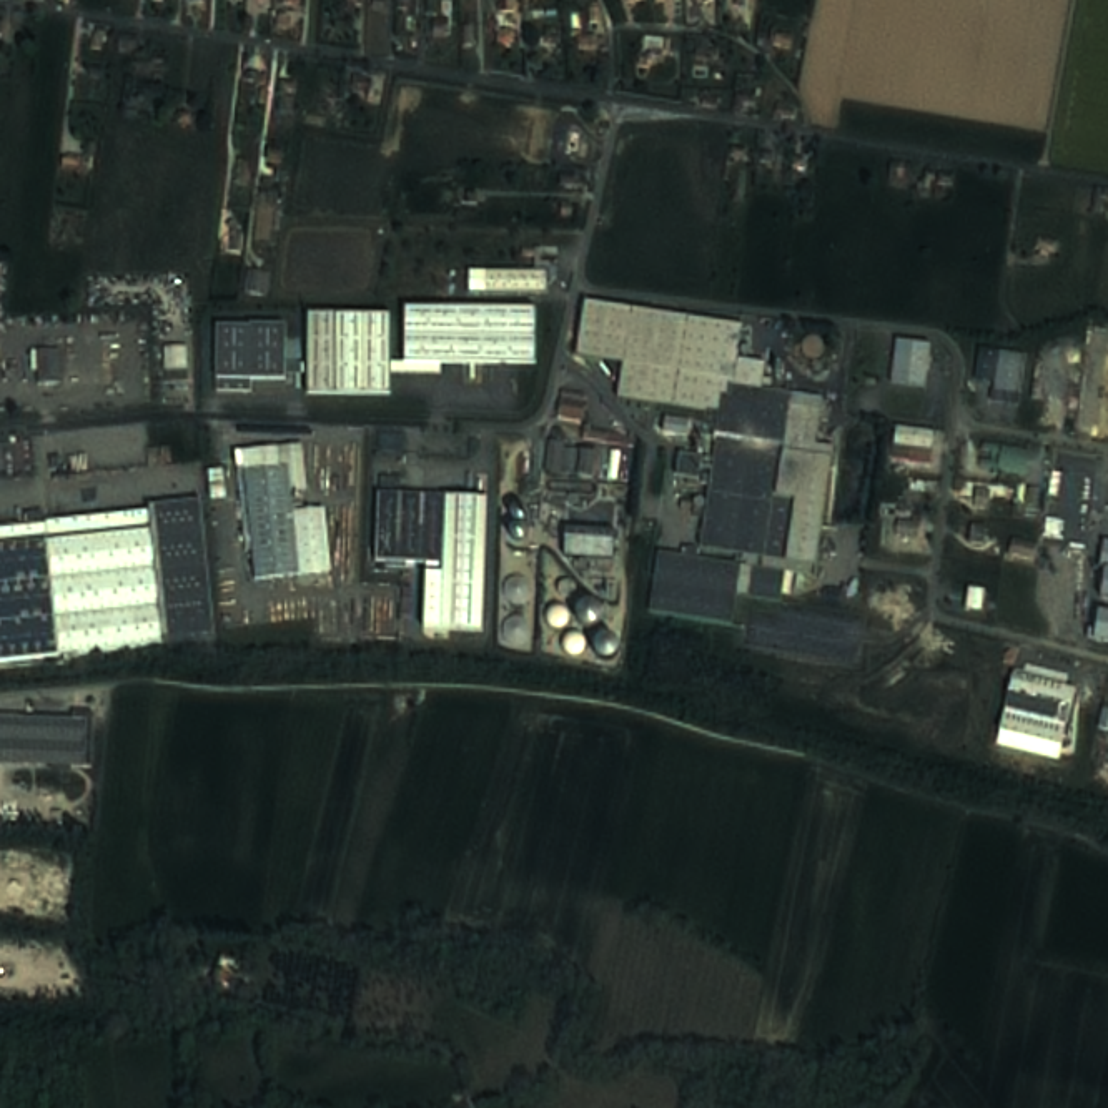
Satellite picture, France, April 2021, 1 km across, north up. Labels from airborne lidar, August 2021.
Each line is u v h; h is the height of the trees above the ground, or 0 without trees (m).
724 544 0
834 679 0
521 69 6
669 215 0
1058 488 0
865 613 0
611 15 0
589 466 0
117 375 0
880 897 0
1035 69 0
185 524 0
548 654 0
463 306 0
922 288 0
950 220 0
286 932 15
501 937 17
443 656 13
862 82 0
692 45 8
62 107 0
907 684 0
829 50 0
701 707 11
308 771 0
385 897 0
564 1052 19
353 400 0
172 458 0
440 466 0
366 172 0
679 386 0
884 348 0
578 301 0
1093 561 0
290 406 0
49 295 0
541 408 0
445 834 0
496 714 0
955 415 0
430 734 0
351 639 0
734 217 9
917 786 6
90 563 0
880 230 0
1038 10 0
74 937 18
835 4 0
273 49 0
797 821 0
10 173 0
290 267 0
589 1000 16
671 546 0
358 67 8
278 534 0
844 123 0
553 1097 19
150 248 0
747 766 0
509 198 0
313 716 0
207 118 10
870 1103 17
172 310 0
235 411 0
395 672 12
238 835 0
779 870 0
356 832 0
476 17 0
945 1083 0
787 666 0
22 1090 14
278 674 14
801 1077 21
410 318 0
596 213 0
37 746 0
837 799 0
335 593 0
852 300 0
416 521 0
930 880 0
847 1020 0
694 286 0
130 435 0
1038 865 0
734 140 8
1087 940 0
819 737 8
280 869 0
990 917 0
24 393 0
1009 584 0
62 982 0
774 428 0
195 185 0
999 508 0
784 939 0
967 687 0
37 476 0
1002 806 6
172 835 0
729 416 0
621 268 0
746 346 0
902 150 0
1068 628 0
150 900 0
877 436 9
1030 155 0
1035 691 0
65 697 0
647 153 0
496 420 0
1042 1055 0
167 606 0
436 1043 14
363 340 0
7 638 0
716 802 0
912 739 0
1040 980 0
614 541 0
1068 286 0
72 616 0
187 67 0
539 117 0
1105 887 0
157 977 19
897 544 0
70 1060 12
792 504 0
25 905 0
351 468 0
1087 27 0
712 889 0
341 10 10
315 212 0
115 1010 13
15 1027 13
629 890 0
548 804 0
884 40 0
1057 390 0
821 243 0
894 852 0
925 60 0
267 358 0
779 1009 0
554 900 0
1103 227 0
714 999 0
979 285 0
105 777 0
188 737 0
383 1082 0
